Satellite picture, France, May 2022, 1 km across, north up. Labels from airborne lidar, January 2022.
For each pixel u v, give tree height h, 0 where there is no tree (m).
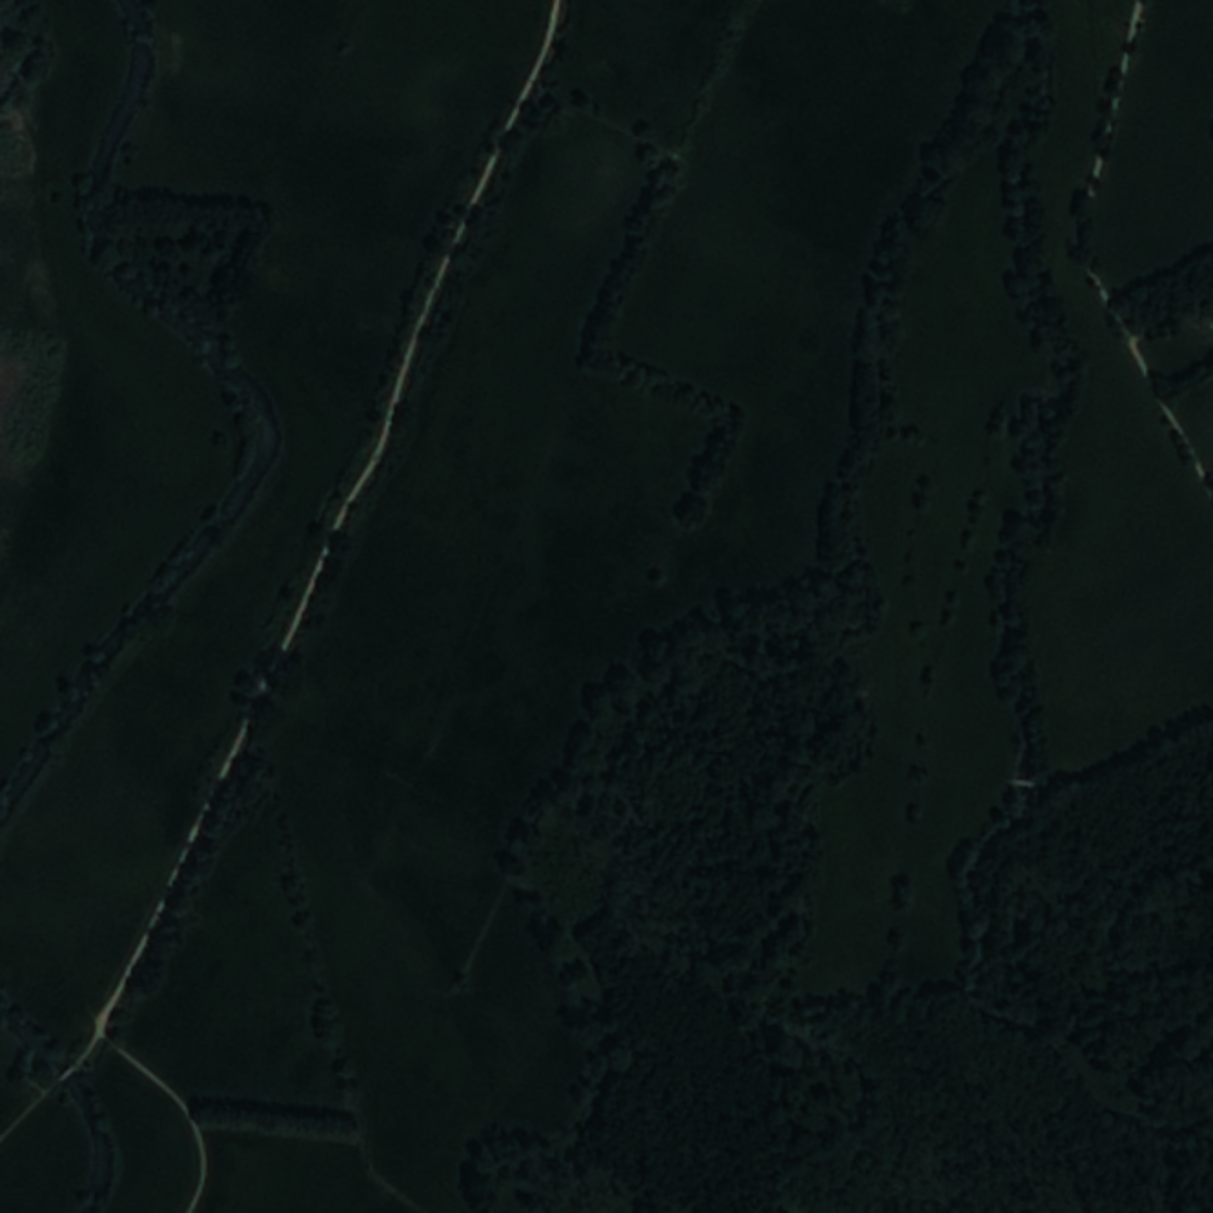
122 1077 0
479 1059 0
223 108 0
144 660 0
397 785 0
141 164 0
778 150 0
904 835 0
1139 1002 27
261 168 0
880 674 0
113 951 0
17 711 0
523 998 0
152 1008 0
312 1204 0
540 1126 0
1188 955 14
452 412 0
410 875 0
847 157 0
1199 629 0
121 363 0
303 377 0
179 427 0
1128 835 18
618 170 0
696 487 17
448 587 0
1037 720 19
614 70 0
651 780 15
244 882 0
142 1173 0
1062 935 27
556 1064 0
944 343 0
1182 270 9
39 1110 0
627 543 0
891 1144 24
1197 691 0
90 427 0
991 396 0
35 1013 0
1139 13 0
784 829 29
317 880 0
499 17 0
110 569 0
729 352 0
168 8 0
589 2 0
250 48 0
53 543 0
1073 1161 22
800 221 0
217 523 14
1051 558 0
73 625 0
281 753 0
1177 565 0
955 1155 22
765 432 0
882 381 13
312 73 0
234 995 0
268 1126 22
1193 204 0
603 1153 19
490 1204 31
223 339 12
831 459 0
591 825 16
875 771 0
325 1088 0
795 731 19
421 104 0
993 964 7
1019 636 18
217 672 0
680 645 22
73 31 0
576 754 18
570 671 0
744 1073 21
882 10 0
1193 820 16
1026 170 15
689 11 0
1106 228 0
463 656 0
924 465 0
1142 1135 22
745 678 17
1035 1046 22
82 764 0
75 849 0
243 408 9
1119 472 0
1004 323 0
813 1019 21
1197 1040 28
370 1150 0
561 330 0
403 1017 0
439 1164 0
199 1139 0
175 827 0
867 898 0
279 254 0
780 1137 19
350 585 0
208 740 0
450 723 0
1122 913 28
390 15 0
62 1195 0
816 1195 24
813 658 28
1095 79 0
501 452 0
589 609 0
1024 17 17
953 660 0
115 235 12
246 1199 0
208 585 0
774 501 0
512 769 0
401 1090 0
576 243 0
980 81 23
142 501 0
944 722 0
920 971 0
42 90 0
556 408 0
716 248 0
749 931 28
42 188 0
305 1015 0
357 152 0
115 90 0
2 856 0
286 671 32
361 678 0
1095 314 0
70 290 0
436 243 15
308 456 0
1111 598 0
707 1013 19
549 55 0
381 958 0
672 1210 13
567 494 0
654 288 0
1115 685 0
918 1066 18
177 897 18
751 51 0
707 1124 21
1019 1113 24
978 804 0
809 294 0
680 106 0
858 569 16
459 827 0
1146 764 17
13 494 0
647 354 0
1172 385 11
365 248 0
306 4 0
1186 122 0
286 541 0
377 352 0
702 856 17
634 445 0
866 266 0
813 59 0
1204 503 0
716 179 0
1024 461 14
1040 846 28
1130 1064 27
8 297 0
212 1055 0
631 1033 20
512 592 0
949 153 26
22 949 0
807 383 0
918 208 23
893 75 0
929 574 0
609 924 19
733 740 17
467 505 0
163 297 16
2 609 0
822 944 0
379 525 0
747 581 0
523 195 0
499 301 0
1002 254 0
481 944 0
